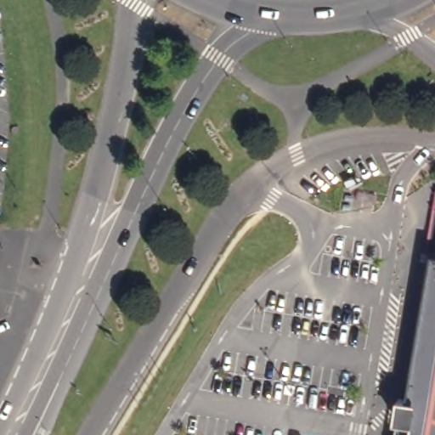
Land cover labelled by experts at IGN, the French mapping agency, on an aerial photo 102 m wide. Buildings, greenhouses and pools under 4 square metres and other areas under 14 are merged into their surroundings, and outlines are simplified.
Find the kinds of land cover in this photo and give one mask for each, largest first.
<instances>
[{"label":"impervious surface","instance_id":"1","mask_svg":"<svg viewBox=\"0 0 435 435\"><path fill-rule=\"evenodd\" d=\"M51 37L56 44L54 58L58 107L51 114V131L54 134L66 121H85L88 117L87 107L78 109L75 105L68 104L71 82L61 70L65 66L66 54L75 51L80 44L87 41L78 34H66L61 22L63 17L54 12L51 3L46 0H44ZM116 27L107 82L100 105L99 121L93 124L97 133L95 141L87 151V168L83 173L70 224L68 228H61L58 223L59 199L63 182V161L68 151L54 136L41 226L37 229H10L7 224H0V435H51L59 411L63 408L70 391L71 382L78 376L102 318H105L112 302L110 280L117 272L126 270L129 265L138 241L141 240L139 221L143 212L155 204H160L163 187L167 184L168 175L175 170L178 158L184 155L182 146L189 138L190 131L194 129L197 114L206 109L219 85L229 80L231 75L238 78L246 87H250L258 97L272 102L284 112L289 126V146L279 148L267 160L257 161L238 180L229 184L223 204L212 207L206 223L199 234L194 236V257L187 258L182 267H178L160 296V311L156 318L151 323L141 326L138 335L134 336L131 347L127 348V352L124 353L117 369L105 384L104 391L100 393L76 435H121L127 421L131 420L134 410L138 408L139 401L143 399L146 389L155 379L156 372L167 360L178 338L184 333L185 326L189 325L195 309L199 308L216 275L221 272L224 263L228 262L229 255L243 240V236L251 228H255L268 212L284 217L294 228L297 236L294 250L268 268L267 272H263L241 294L240 299L234 302L233 308L229 309L223 323L212 335L206 352L195 365L182 391L175 398L172 410L168 411L165 420L161 421L155 435H393L389 430L391 408L394 404L410 406L406 386L410 376L411 355L415 345L416 325L420 316L428 262H432L430 255L435 253V131H420L416 127L408 126V122H398L389 126H352L302 139V127L306 126L309 116L313 114L316 104L323 97L342 104L348 97L364 92L365 87L357 78L364 75L365 71L372 70L387 59L393 58L403 48L418 56L435 73V0H116ZM353 31L386 36V44L370 51L362 58L355 59L350 65L343 66L342 70L333 71L330 75L319 78L313 83L314 87H311V83L292 87L272 85L263 82L243 66V58L270 42L272 37L326 36ZM187 36L190 46L199 53L201 65L189 80L178 83L172 97L175 109L167 119H158L153 136L148 138L141 153L134 150V144L126 139L129 136V129L133 126L131 119L127 117L126 109L127 104L136 102L138 95V90L134 87V80L138 75L133 68L134 51L139 49L148 53V48L161 39L182 41ZM139 158H141V160H143L144 163H146L143 175H141V177L139 178L127 177L126 173L122 172V168L126 170V168L134 167V163H136V161H138ZM379 175H391L387 187L389 192L384 201H377L374 192L360 189L364 180ZM338 178L345 180L347 187L343 192L342 209L330 212L321 207L311 206L309 195L319 190L326 192L338 184ZM7 76L0 22V214L7 172L8 136L17 133L19 126L10 122L8 99L5 97Z\"/></svg>","mask_w":435,"mask_h":435},{"label":"herbaceous vegetation","instance_id":"2","mask_svg":"<svg viewBox=\"0 0 435 435\"><path fill-rule=\"evenodd\" d=\"M0 22L7 76L5 97L8 99L10 122L19 126L17 133L8 136L7 172L0 214V224H7L10 229H37L41 226L54 136V134L51 131V114L58 107L54 58L56 44L51 37L44 0H0ZM116 0H100L99 7L87 17L76 20L63 17L61 22L66 34H78L87 41L92 44L93 53L100 59L99 75L90 87L83 83L71 82L68 104L75 105L78 109L87 107L88 117V121L93 124L99 121L100 105L107 82L116 27ZM386 36L353 31L326 36L272 37L270 42L243 58V66L263 82L272 85L292 87L311 83V87H314L313 83L319 78L330 75L333 71L342 70L343 66L350 65L355 59L362 58L370 51L386 44ZM384 73H396L408 82L423 78L425 82L435 83V73L418 56L403 48L393 58L387 59L372 70L365 71L364 75L357 78L365 87H372L377 76ZM270 119V124L279 136V148L289 146V126L284 112L272 102L258 97L250 87H246L238 78L231 75L229 80L219 85L206 109L197 114L194 129L190 131L189 138L182 146L184 155L178 158L175 170L168 175L167 184L163 187L160 204H155L143 212L139 221L141 240L138 241L129 265L126 270L117 272L110 280L112 302L105 318H102L78 376L71 382L70 391L63 408L59 411L51 435H76L100 393L104 391L105 384L117 369L124 353L127 352V348L131 347L134 336L138 335L141 326L124 318L116 302L122 297L136 296L150 285H153L156 294L160 296L178 267L172 263L160 262L148 246V241L167 233L170 229L180 228L184 223H187V228L194 236L199 234L206 223L212 207L202 206L185 194V190L194 187L195 173L202 167L216 168L221 163L224 175H228L229 184L238 180L257 161L248 155L246 148L238 141L251 129L265 124ZM139 107H143L150 124L143 127L133 126L129 129V136L126 139L134 144V150L141 153L148 138L153 136L158 119H167L175 109L172 97L158 105L141 99L138 95L136 102ZM352 126L345 114L338 116L335 126H326L316 121L313 114L309 116L306 126L302 127V139ZM87 151H68L63 161V182L59 199L58 223L61 228H68L70 224L83 173L87 168ZM391 175H379L364 180L360 189L374 192L377 201H384L389 192L387 187ZM347 187L345 180L338 178V184L326 192L319 190L309 195L311 206L321 207L330 212L342 209L343 192ZM297 236L294 228L284 217L268 212L255 228H251L243 236V240L229 255L228 262L224 263L221 272L216 275L199 308L195 309L189 325L185 326L184 333L178 338L167 360L156 372L155 379L146 389L143 399L139 401L138 408L134 410L131 420L127 421L121 435H155L161 421L165 420L168 411L172 410L175 398L182 391L195 365L206 352L212 335L223 323L229 309L233 308L234 302L240 299L241 294L263 272H267L268 268L294 250Z\"/></svg>","mask_w":435,"mask_h":435},{"label":"deciduous trees","instance_id":"3","mask_svg":"<svg viewBox=\"0 0 435 435\"><path fill-rule=\"evenodd\" d=\"M51 3L54 12L63 17L76 20L87 17L99 7L100 0H46ZM201 65L199 53L190 46L187 36L182 41L161 39L148 48V53L139 49L134 51L133 68L138 75L134 80V87L138 90V95L141 99L158 105L172 97L178 83L189 80ZM61 70L71 82L83 83L90 87L99 75L100 59L93 53L92 44L87 41L80 44L75 51L66 54L65 66ZM345 114L352 126H389L398 122H408V126L416 127L420 131H435V83L425 82L423 78L408 82L396 73H384L377 76L372 87H365L364 92L348 97L342 104L323 97L316 104L313 114L316 121L326 126H335L338 116ZM127 117L131 119L133 126L143 127L150 124L143 107H139L136 102L127 104L126 109ZM97 133L93 124L88 121V117L85 121H66L54 134V136L68 151H87L95 141ZM238 141L246 148L248 155L257 161L267 160L279 148V136L270 124V119L265 124L251 129ZM146 163H144L143 160H141V158H139L138 161H136V163H134V167L126 168V170L122 168V172L126 173L127 177L139 178L141 177V175H143ZM229 184L228 175H224L221 163L216 168L202 167L195 173L194 187L185 190V194L202 206L212 207L223 204ZM148 246L160 262L172 263L178 267H182L187 258L194 257V236L187 228V223H184L180 228L170 229L167 233L148 241ZM160 296L156 294L153 285H150L136 296L122 297L116 302L124 318L141 326L151 323L156 318L160 311Z\"/></svg>","mask_w":435,"mask_h":435},{"label":"building","instance_id":"4","mask_svg":"<svg viewBox=\"0 0 435 435\"><path fill-rule=\"evenodd\" d=\"M432 262H428L420 316L416 325L415 345L411 355L410 376L406 386L410 406L394 404L391 408L389 430L393 435H435V253L430 255Z\"/></svg>","mask_w":435,"mask_h":435}]
</instances>
